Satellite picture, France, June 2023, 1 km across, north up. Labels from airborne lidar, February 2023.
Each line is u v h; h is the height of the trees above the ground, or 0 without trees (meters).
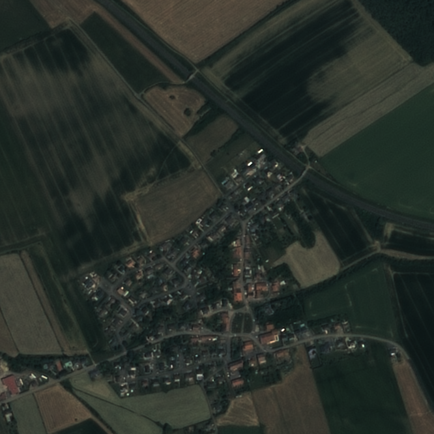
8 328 0
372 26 0
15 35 0
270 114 0
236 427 0
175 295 7
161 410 0
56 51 0
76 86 0
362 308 0
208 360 0
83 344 0
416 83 0
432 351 0
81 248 0
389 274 0
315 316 0
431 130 0
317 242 0
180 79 0
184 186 0
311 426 0
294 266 0
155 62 0
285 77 0
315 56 0
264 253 0
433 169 0
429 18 22
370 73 0
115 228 0
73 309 0
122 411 0
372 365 0
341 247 0
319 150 0
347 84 0
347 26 0
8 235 0
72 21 0
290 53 0
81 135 0
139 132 0
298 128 0
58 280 0
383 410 0
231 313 0
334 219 0
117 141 0
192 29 0
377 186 0
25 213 0
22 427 0
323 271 0
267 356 6
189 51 0
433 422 0
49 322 0
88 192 0
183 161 0
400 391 0
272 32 0
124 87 0
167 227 0
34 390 0
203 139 0
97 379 0
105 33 0
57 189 0
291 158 0
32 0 0
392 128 0
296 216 9
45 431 0
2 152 0
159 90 0
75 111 0
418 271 0
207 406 0
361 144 0
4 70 0
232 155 0
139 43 0
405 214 0
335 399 0
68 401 0
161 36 0
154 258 6
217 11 0
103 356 0
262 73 0
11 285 0
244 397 0
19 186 0
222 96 0
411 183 0
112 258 0
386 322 0
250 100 0
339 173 0
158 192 0
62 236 0
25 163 0
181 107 0
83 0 0
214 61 0
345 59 0
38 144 0
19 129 0
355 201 0
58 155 0
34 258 0
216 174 0
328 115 0
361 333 0
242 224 0
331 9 0
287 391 0
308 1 0
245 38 0
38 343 0
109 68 0
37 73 0
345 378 0
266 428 0
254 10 0
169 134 0
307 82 0
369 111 0
